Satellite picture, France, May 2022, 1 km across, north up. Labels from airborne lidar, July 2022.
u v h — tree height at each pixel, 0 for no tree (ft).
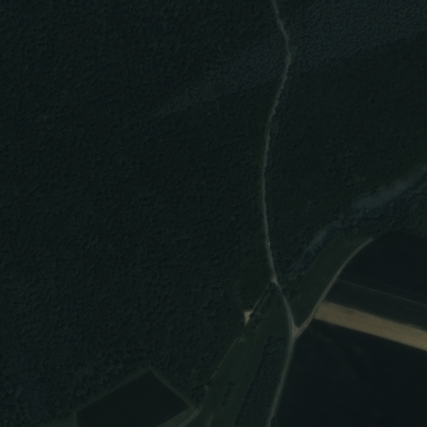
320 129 94
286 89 58
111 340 87
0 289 94
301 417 0
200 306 76
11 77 75
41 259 75
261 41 84
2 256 77
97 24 83
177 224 75
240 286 56
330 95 87
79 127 90
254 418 42
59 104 90
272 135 61
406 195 52
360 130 85
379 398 0
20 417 84
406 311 0
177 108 72
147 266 81
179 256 26
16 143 84
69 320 81
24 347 85
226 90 74
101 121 88
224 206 88
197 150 83
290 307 0
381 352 0
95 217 79
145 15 91
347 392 0
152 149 81
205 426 0
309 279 0
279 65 71
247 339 0
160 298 79
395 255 0
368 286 0
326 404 0
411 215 72
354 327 0
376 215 60
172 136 90
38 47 76
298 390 0
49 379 87
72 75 76
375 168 85
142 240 83
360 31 79
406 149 82
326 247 41
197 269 84
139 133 94
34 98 64
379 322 0
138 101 91
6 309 68
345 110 89
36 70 84
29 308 84
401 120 89
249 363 0
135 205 51
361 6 85
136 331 94
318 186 66
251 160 75
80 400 76
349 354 0
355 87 89
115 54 81
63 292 80
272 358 56
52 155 97
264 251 52
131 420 0
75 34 71
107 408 0
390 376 0
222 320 86
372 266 0
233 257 84
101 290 81
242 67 78
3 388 83
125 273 83
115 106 80
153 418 0
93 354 78
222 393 0
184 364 91
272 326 0
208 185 89
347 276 0
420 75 98
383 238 0
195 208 82
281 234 61
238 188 89
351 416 0
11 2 70
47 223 83
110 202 73
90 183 67
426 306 0
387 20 95
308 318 0
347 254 0
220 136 85
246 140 86
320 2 73
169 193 87
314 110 87
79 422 0
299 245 59
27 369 68
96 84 90
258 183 60
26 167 80
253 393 49
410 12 82
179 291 88
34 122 93
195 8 76
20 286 88
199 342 85
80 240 92
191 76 84
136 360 77
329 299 0
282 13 61
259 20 83
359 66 88
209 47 98
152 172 79
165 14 92
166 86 66
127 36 81
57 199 80
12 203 73
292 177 81
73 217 48
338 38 88
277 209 63
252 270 49
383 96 81
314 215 58
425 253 0
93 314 86
